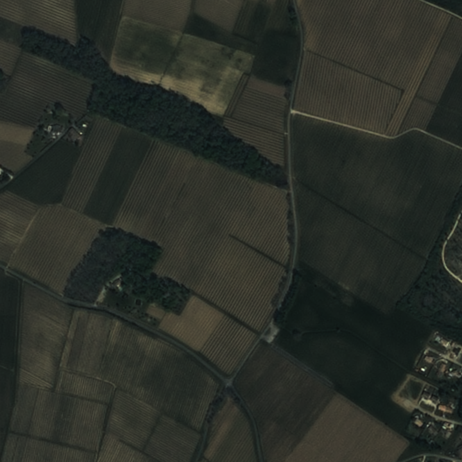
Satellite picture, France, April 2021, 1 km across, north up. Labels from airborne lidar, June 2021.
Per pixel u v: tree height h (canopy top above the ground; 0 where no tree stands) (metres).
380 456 0
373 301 0
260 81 0
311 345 0
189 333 0
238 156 18
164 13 0
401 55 0
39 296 0
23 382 0
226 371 0
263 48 0
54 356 0
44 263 0
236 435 0
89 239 0
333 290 0
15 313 0
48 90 0
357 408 0
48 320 0
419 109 0
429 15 0
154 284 22
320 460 0
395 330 0
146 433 0
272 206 0
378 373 0
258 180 13
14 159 0
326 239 0
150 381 0
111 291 7
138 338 0
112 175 0
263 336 0
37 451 0
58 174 0
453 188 0
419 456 0
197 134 17
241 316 0
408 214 0
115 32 0
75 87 0
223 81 0
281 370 0
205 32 0
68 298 12
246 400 0
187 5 0
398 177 0
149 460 0
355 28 0
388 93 0
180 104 20
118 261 21
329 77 0
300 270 0
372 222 0
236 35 0
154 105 26
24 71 0
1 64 0
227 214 0
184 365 0
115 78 17
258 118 0
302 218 0
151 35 0
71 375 0
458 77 0
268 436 0
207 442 0
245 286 0
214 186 0
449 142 0
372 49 0
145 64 0
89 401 0
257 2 0
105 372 0
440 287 14
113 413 0
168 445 0
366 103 0
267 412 0
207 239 0
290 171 0
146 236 0
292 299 17
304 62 0
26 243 0
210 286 0
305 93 0
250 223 0
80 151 0
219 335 0
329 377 0
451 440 0
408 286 0
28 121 0
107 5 0
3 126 0
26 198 0
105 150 0
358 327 0
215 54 0
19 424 0
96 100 18
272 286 0
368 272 0
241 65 0
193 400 0
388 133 0
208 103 0
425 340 0
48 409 0
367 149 0
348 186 0
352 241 0
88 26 0
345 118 0
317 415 0
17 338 0
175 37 0
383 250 0
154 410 0
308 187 0
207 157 21
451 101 0
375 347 0
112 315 7
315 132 0
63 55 18
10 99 0
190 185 0
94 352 0
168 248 0
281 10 0
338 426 0
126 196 0
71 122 9
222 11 0
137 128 19
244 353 0
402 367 0
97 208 0
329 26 0
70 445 0
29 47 13
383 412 0
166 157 0
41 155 0
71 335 0
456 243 15
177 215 0
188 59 0
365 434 0
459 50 0
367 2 0
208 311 0
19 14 0
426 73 0
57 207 0
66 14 0
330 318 0
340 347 0
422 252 0
